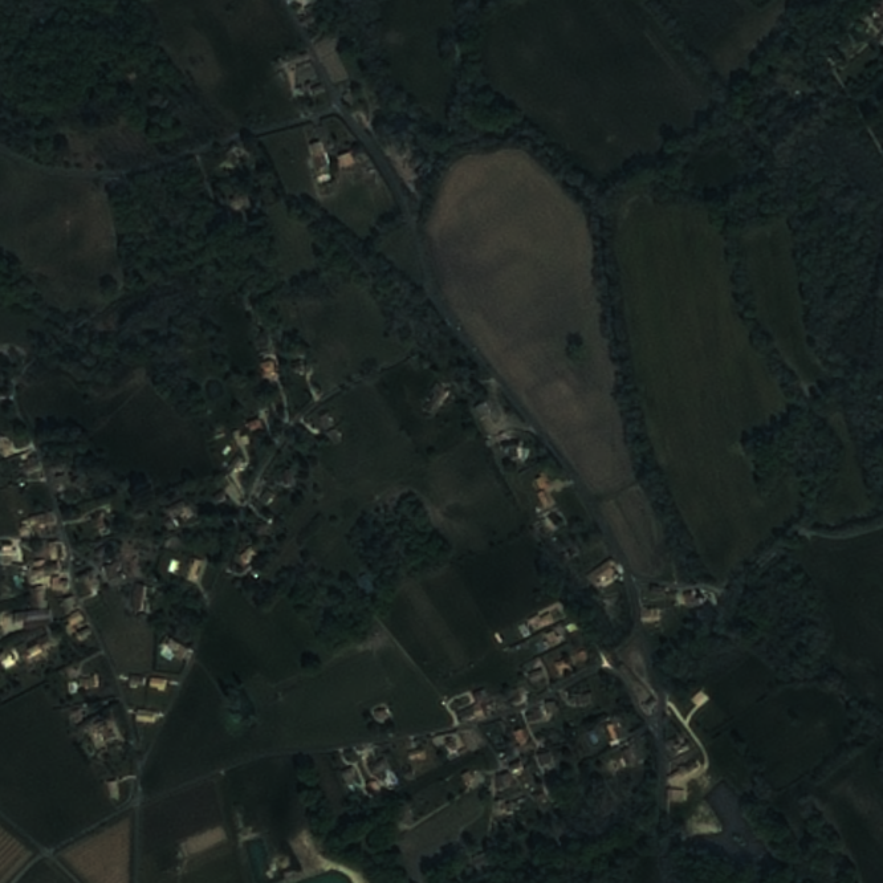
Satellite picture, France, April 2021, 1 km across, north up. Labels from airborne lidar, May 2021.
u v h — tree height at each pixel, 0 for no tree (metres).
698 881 26
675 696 12
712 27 7
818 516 11
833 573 0
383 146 16
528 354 0
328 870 0
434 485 0
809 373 0
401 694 0
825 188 17
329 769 0
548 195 0
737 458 0
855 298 17
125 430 0
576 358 17
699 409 0
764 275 0
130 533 20
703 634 29
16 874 0
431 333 18
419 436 0
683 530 15
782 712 0
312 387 9
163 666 0
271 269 12
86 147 0
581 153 0
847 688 12
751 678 0
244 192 19
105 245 0
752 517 0
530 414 0
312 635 0
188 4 0
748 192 18
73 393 0
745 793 0
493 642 0
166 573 0
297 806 0
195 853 0
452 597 0
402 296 25
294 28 0
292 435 15
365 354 0
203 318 9
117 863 0
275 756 0
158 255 17
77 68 33
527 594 0
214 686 0
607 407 0
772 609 15
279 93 0
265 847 0
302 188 0
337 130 0
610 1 0
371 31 21
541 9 0
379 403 0
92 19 23
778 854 20
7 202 0
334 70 0
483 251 0
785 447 19
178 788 0
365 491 0
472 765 0
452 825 0
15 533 0
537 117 0
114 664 0
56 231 0
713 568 0
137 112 26
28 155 15
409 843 0
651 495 15
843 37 20
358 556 9
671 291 0
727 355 0
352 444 0
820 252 18
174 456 0
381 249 12
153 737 0
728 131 17
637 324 0
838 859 17
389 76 13
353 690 0
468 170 0
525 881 19
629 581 0
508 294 0
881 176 11
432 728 0
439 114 0
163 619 8
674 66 0
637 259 0
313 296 23
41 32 22
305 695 0
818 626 12
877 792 0
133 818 0
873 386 16
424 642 0
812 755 0
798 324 0
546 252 0
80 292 0
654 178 20
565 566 17
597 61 0
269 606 12
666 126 0
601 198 19
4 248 0
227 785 0
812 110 15
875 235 8
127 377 0
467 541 0
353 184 0
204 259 25
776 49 19
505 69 0
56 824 0
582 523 8
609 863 21
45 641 0
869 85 6
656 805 17
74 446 18
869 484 15
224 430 0
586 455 0
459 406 8
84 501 7
